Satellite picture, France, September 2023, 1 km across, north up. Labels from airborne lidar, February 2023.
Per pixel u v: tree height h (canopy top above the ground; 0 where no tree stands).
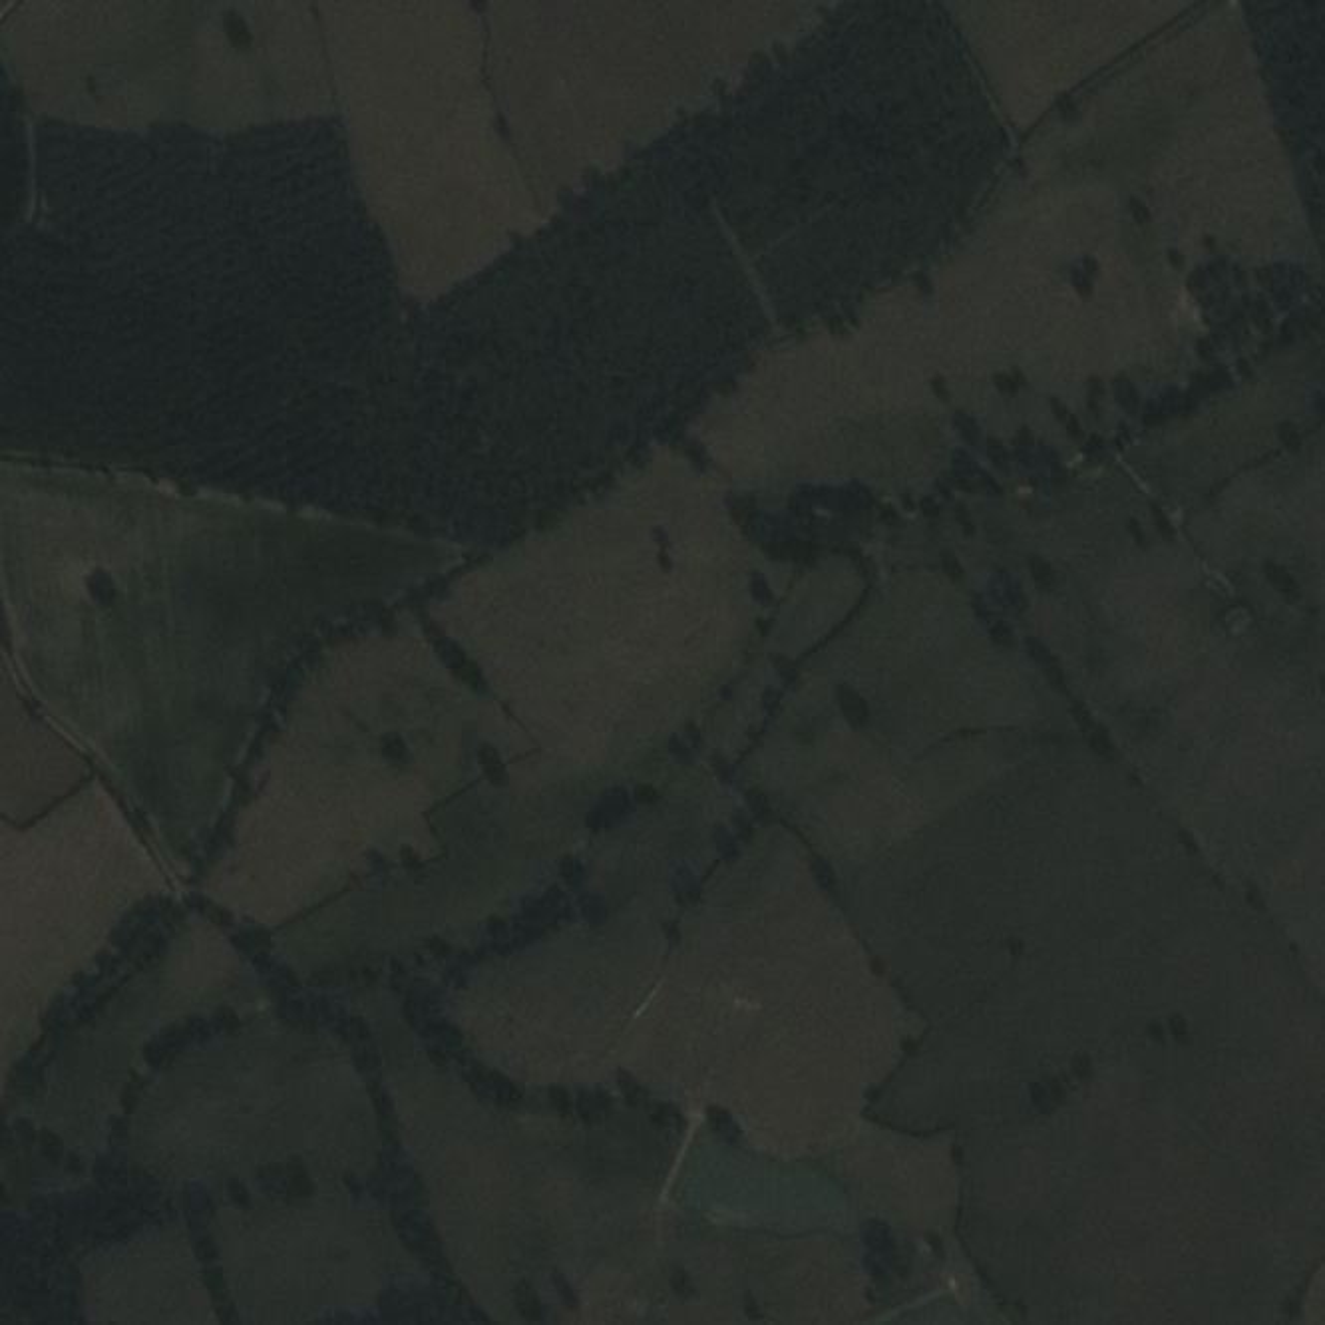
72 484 0
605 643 0
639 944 0
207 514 0
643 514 0
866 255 12
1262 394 0
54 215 9
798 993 0
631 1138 0
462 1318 14
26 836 0
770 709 13
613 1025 0
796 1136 0
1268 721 0
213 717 0
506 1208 0
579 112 0
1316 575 0
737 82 0
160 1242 0
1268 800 0
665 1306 0
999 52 0
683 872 0
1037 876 0
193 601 0
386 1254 0
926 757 0
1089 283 13
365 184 0
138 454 7
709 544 0
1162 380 0
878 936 0
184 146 14
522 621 0
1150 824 0
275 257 14
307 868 0
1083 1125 0
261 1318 0
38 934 0
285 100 0
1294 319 19
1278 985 0
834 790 0
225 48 0
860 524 0
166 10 0
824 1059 0
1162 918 0
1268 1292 0
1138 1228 0
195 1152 0
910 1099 0
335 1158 0
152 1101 0
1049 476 26
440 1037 19
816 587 0
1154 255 0
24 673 0
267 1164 0
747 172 14
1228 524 0
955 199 6
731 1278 0
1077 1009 0
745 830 16
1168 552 0
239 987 0
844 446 0
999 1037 0
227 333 17
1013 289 0
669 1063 0
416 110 0
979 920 0
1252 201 0
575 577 0
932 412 0
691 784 0
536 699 0
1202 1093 0
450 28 0
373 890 0
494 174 0
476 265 0
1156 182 0
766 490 0
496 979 0
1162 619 0
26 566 0
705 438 0
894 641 0
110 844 0
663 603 0
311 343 15
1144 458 0
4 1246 20
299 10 0
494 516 16
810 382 0
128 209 16
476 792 0
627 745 0
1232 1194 0
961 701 0
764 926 0
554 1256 0
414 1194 21
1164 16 0
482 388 11
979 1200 0
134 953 9
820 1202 0
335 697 0
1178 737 0
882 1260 13
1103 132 0
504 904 0
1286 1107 0
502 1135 0
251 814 0
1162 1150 0
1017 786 0
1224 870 0
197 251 17
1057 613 0
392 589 0
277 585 0
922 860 0
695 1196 0
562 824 0
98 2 0
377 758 0
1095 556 0
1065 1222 0
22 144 9
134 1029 0
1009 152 8
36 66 0
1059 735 0
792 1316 0
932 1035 0
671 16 0
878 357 0
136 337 17
